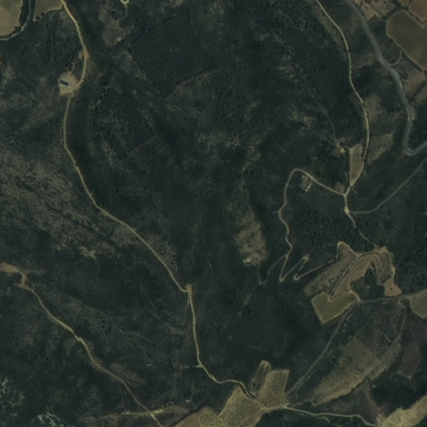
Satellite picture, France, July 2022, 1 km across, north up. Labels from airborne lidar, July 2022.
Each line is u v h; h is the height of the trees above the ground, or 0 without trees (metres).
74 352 0
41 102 0
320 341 0
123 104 10
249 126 10
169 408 0
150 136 12
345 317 0
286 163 0
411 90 0
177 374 0
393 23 0
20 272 0
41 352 9
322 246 10
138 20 11
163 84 9
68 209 0
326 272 0
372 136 14
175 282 0
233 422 0
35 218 0
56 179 0
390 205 0
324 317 0
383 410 0
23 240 0
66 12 0
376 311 0
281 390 0
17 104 0
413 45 0
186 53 10
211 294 0
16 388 0
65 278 0
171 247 0
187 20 8
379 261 0
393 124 0
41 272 0
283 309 6
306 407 0
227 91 8
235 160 7
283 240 0
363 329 0
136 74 0
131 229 0
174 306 0
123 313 0
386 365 0
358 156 0
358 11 0
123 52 0
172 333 0
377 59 0
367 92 7
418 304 0
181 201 0
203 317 0
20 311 0
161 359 0
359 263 0
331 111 7
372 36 0
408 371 0
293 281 0
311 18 14
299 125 10
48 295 0
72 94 0
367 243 15
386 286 0
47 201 0
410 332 0
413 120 8
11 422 0
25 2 9
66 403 0
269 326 0
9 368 0
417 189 0
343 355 0
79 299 0
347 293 0
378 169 6
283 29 11
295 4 12
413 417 0
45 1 0
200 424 0
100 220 0
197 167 5
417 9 0
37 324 0
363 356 0
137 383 0
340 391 0
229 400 0
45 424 0
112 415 0
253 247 0
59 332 0
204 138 0
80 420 0
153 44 10
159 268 0
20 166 0
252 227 0
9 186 0
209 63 11
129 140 8
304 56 12
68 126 0
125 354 0
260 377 0
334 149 8
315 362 0
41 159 0
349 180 0
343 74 6
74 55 12
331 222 7
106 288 0
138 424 0
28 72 0
